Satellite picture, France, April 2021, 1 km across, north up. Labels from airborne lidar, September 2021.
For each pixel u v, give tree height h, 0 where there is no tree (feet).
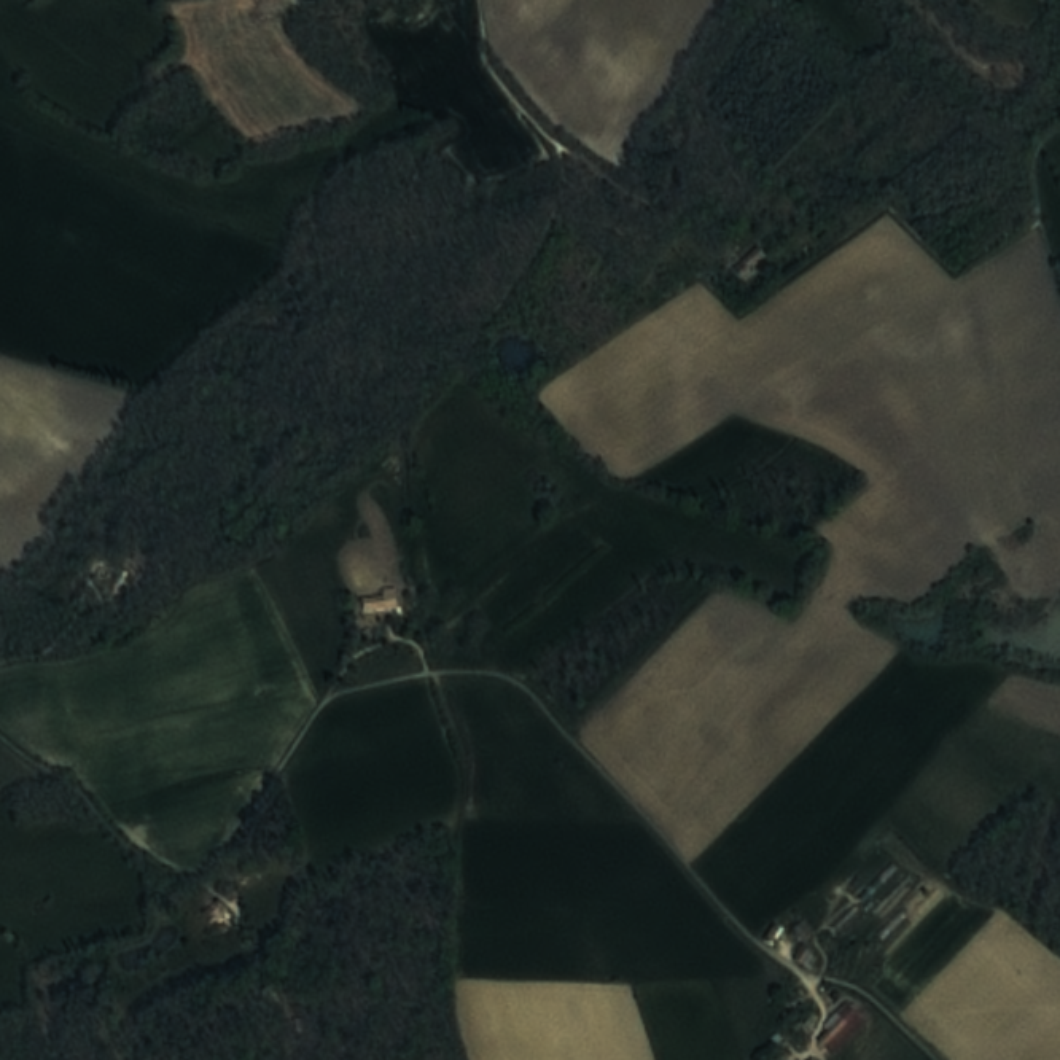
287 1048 51
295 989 66
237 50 0
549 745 0
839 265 0
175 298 0
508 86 32
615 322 40
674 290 24
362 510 0
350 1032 34
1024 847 60
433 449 0
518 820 0
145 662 0
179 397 57
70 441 0
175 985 0
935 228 43
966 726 0
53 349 0
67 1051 57
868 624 32
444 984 61
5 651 20
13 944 21
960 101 30
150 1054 46
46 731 0
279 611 0
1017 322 0
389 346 59
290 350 40
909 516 0
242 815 0
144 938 42
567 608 0
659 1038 0
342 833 0
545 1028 0
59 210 0
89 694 0
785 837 0
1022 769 0
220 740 0
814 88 50
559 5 0
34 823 64
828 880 0
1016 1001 0
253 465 52
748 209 62
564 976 0
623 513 0
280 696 0
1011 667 21
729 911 0
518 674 0
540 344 36
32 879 0
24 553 0
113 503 51
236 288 0
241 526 55
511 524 0
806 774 0
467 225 72
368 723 0
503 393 92
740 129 55
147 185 0
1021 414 0
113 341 0
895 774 0
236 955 0
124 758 0
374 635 28
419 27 0
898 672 0
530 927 0
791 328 0
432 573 0
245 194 0
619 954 0
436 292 54
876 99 50
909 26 61
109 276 0
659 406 0
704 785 0
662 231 62
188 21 0
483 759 0
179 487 49
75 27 0
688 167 50
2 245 0
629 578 0
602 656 45
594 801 0
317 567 0
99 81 0
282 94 0
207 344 35
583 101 0
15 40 0
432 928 44
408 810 0
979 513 0
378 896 40
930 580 0
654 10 0
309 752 0
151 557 49
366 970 42
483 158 0
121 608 49
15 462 0
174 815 0
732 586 54
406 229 60
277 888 0
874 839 0
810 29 47
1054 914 78
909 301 0
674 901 0
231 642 0
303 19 41
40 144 0
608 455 0
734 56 46
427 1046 53
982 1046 0
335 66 53
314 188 0
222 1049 54
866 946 21
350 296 59
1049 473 0
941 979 0
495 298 54
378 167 47
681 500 50
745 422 0
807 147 23
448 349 66
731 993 0
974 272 0
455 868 62
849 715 0
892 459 0
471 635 48
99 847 0
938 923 0
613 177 28
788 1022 29
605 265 43
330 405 52
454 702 0
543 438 74
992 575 21
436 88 0
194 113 35
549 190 21
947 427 0
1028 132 59
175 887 36
